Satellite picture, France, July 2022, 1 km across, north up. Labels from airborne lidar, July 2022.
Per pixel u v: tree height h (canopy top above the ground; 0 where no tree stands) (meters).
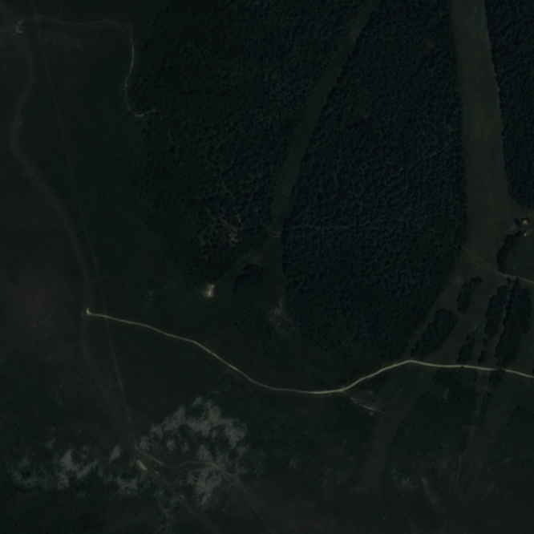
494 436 0
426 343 9
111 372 0
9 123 0
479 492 0
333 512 0
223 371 0
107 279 0
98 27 0
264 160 13
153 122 9
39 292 0
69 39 0
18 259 0
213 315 0
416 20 13
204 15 17
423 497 0
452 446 0
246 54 13
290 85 21
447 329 10
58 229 0
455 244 11
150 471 0
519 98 14
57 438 0
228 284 0
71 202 0
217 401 0
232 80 15
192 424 0
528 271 0
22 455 0
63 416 0
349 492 0
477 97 0
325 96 0
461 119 21
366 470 0
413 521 0
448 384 6
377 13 11
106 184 0
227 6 22
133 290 0
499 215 0
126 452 0
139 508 0
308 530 0
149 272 0
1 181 0
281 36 13
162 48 11
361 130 14
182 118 8
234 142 6
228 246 18
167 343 0
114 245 0
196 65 17
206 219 13
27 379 0
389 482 0
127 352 0
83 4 0
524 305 14
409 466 0
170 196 7
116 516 0
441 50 11
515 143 9
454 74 14
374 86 10
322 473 0
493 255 0
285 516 0
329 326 13
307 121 0
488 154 0
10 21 0
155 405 0
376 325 10
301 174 8
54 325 0
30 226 0
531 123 13
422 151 16
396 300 13
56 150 0
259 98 8
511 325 14
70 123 0
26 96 0
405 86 13
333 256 12
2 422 0
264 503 0
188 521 0
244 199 12
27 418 0
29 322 0
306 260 14
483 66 0
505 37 18
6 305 0
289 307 8
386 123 10
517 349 11
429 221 15
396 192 16
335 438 0
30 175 0
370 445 0
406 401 0
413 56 8
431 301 13
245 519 0
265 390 0
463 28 0
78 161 0
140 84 8
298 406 0
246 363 0
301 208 17
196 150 14
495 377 7
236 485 0
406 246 10
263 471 0
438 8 15
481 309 0
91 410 0
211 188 15
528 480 0
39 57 0
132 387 0
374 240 10
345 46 0
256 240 18
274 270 0
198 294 0
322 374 0
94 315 0
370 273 8
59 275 0
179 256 6
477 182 0
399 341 9
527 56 18
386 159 21
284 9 25
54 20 0
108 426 0
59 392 0
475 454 0
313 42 18
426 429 0
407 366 0
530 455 0
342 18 22
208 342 0
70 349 0
